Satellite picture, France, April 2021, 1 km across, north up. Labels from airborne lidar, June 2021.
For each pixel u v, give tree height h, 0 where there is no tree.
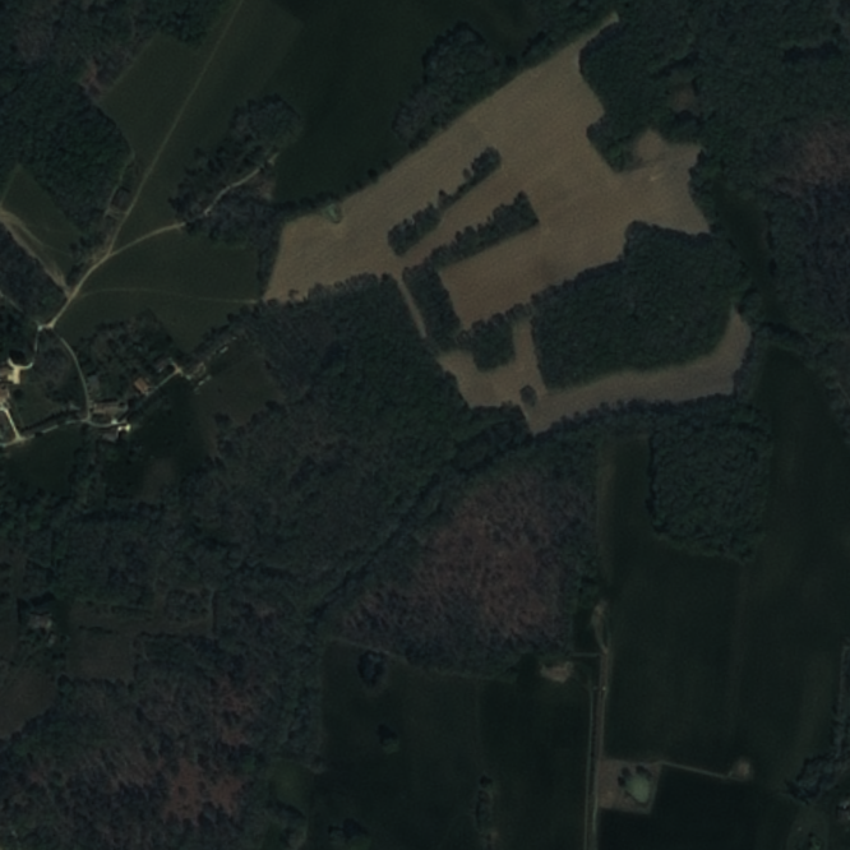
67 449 0
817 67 31
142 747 8
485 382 0
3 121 21
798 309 26
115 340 7
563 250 0
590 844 0
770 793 0
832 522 0
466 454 28
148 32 18
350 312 19
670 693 0
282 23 0
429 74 14
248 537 20
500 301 0
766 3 19
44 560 14
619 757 0
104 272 0
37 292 22
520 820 0
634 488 0
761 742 0
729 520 26
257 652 18
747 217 0
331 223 0
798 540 0
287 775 0
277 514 20
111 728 15
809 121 21
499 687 0
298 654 23
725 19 23
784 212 20
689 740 0
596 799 0
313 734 22
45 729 16
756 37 24
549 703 0
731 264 24
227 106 0
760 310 22
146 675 15
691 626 0
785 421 0
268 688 19
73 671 0
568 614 15
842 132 11
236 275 0
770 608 0
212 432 0
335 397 18
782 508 0
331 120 0
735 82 26
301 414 18
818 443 0
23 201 0
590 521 19
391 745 23
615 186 0
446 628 18
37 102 23
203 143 0
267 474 19
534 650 17
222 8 15
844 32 11
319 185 0
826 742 0
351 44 0
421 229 15
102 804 22
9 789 22
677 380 0
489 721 0
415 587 10
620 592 0
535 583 13
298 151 0
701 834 0
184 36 21
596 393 0
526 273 0
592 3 24
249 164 9
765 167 15
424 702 0
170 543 23
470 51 23
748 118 26
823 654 0
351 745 0
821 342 23
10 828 17
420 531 20
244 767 22
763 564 0
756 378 11
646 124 15
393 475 18
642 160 0
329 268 0
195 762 17
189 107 0
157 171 0
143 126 0
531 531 14
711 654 0
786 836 0
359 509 17
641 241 21
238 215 17
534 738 0
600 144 18
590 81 13
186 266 0
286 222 15
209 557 20
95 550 18
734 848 0
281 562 25
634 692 0
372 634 7
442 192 0
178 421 0
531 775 0
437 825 0
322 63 0
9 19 18
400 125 13
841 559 0
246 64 0
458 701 0
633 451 0
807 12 22
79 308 0
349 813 0
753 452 20
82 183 20
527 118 0
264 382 0
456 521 12
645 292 23
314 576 22
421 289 17
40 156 20
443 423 24
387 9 0
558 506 13
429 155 0
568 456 19
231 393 0
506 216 12
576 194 0
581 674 0
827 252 23
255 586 25
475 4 0
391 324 17
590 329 24
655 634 0
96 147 24
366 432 21
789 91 25
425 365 18
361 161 0
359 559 18
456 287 0
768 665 0
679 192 0
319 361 18
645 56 26
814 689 0
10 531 7
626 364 18
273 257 15
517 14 0
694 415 14
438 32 0
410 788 0
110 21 20
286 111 18
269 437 18
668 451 28
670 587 0
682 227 0
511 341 17
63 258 0
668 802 0
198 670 10
